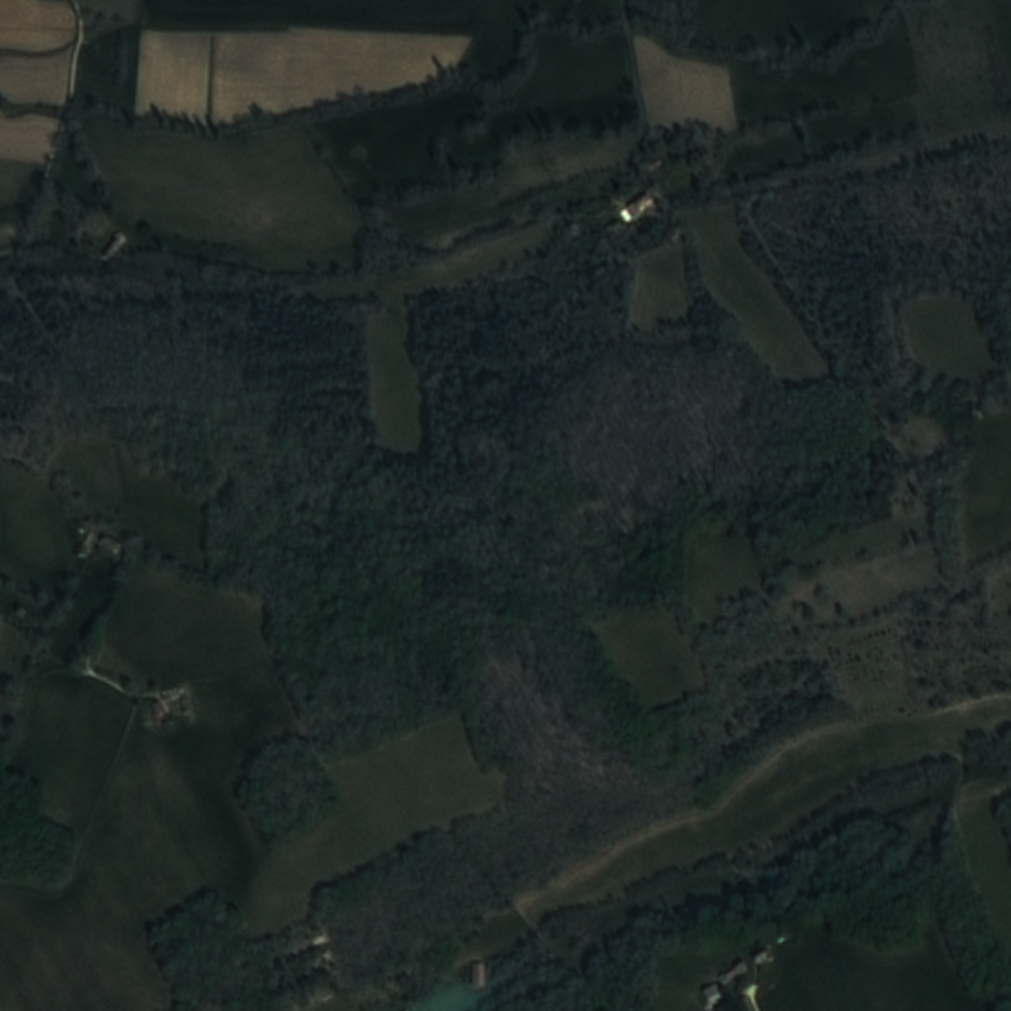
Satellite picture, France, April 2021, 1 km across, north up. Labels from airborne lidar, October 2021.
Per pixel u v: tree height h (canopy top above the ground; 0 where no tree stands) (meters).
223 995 28
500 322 13
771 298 0
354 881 13
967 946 23
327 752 19
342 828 0
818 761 0
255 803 22
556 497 17
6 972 0
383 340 0
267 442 14
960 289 14
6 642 0
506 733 20
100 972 0
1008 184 9
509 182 0
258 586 25
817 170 14
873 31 16
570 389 15
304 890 0
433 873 21
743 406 14
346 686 20
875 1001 0
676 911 7
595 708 21
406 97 16
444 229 0
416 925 21
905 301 12
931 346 0
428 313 18
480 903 18
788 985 0
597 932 0
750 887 0
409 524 16
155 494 0
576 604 18
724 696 16
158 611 0
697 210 12
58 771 0
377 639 17
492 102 17
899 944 23
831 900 20
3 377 8
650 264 0
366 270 15
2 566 0
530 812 22
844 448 25
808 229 10
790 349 0
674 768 17
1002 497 0
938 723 0
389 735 14
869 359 9
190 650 0
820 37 0
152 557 18
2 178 0
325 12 0
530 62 15
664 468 18
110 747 0
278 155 0
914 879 19
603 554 15
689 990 0
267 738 0
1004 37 0
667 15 17
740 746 6
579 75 0
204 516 9
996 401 21
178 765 0
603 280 13
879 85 0
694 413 18
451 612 15
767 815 0
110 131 0
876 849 22
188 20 0
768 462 22
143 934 0
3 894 0
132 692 17
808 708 15
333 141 0
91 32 10
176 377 17
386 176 0
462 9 0
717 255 0
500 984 10
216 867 0
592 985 21
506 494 12
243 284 16
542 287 11
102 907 0
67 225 18
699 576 0
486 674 21
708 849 0
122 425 13
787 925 19
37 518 0
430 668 16
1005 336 22
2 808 20
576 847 23
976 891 17
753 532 7
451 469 10
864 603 0
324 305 8
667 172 9
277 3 0
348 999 16
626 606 11
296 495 20
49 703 0
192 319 11
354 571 24
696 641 14
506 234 14
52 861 20
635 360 14
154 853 0
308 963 18
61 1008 0
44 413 12
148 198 0
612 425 15
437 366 16
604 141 27
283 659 12
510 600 15
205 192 0
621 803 20
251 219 0
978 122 0
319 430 19
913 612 12
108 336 13
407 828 0
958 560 15
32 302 13
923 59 0
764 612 17
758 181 11
